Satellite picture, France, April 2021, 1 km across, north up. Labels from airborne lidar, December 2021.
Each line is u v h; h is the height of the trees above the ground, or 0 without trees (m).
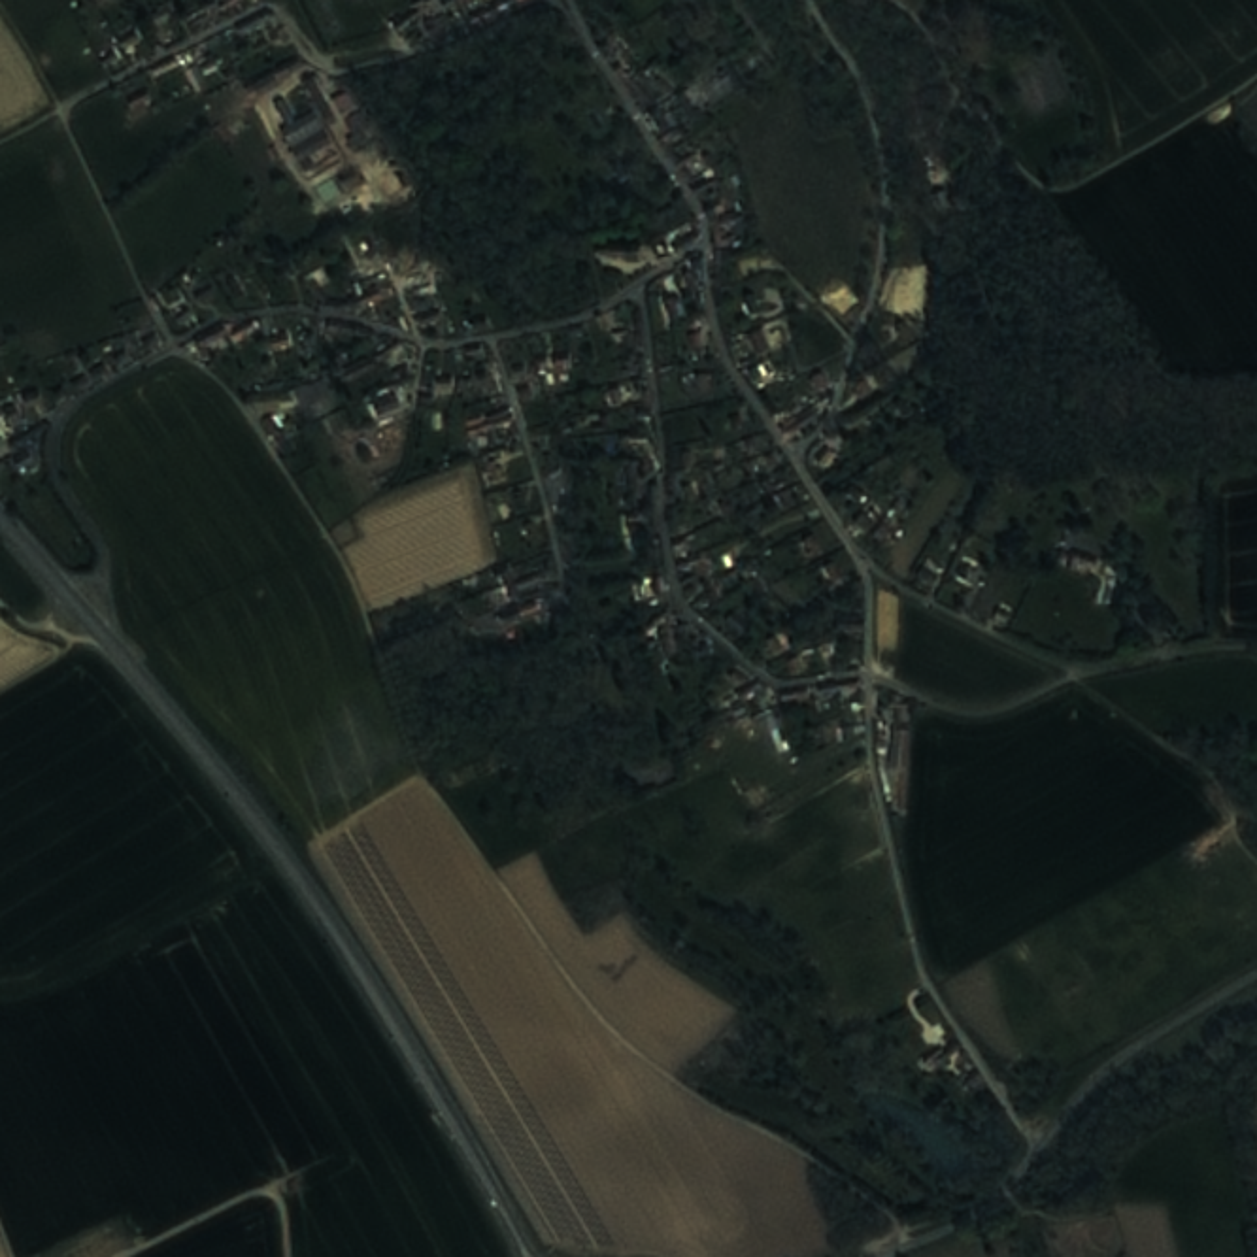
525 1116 0
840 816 0
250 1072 0
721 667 10
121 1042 0
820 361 0
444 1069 0
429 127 26
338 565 0
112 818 0
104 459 0
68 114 0
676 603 0
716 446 0
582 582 23
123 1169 0
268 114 0
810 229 0
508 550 0
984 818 0
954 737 0
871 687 0
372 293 0
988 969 0
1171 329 0
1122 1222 0
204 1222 0
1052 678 0
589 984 0
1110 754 0
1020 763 0
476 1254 0
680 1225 0
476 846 0
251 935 0
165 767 0
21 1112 0
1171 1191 0
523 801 14
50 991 0
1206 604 16
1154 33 0
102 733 0
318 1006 0
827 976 0
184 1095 0
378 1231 0
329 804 0
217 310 0
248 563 0
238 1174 0
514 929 0
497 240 25
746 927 21
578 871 0
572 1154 0
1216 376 15
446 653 35
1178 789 0
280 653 0
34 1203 0
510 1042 0
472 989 0
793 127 0
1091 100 12
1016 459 16
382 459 0
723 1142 0
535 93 24
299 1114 0
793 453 0
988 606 0
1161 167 0
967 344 20
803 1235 0
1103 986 0
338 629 0
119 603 0
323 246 12
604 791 25
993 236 16
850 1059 8
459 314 0
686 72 16
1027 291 20
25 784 0
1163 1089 9
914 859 0
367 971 0
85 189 0
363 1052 0
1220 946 0
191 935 0
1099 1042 0
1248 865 0
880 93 21
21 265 0
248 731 0
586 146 7
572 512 22
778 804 0
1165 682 0
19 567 0
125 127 0
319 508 0
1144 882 0
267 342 12
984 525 14
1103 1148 29
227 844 0
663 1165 0
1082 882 0
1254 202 0
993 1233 19
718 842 0
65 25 0
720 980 8
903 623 0
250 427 0
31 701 0
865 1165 9
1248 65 0
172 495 0
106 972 0
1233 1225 0
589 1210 0
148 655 0
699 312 14
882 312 0
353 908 0
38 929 0
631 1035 0
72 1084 0
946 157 20
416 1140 0
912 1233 0
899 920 0
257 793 0
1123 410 19
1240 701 0
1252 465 17
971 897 0
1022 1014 0
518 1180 0
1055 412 17
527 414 0
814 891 0
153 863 0
